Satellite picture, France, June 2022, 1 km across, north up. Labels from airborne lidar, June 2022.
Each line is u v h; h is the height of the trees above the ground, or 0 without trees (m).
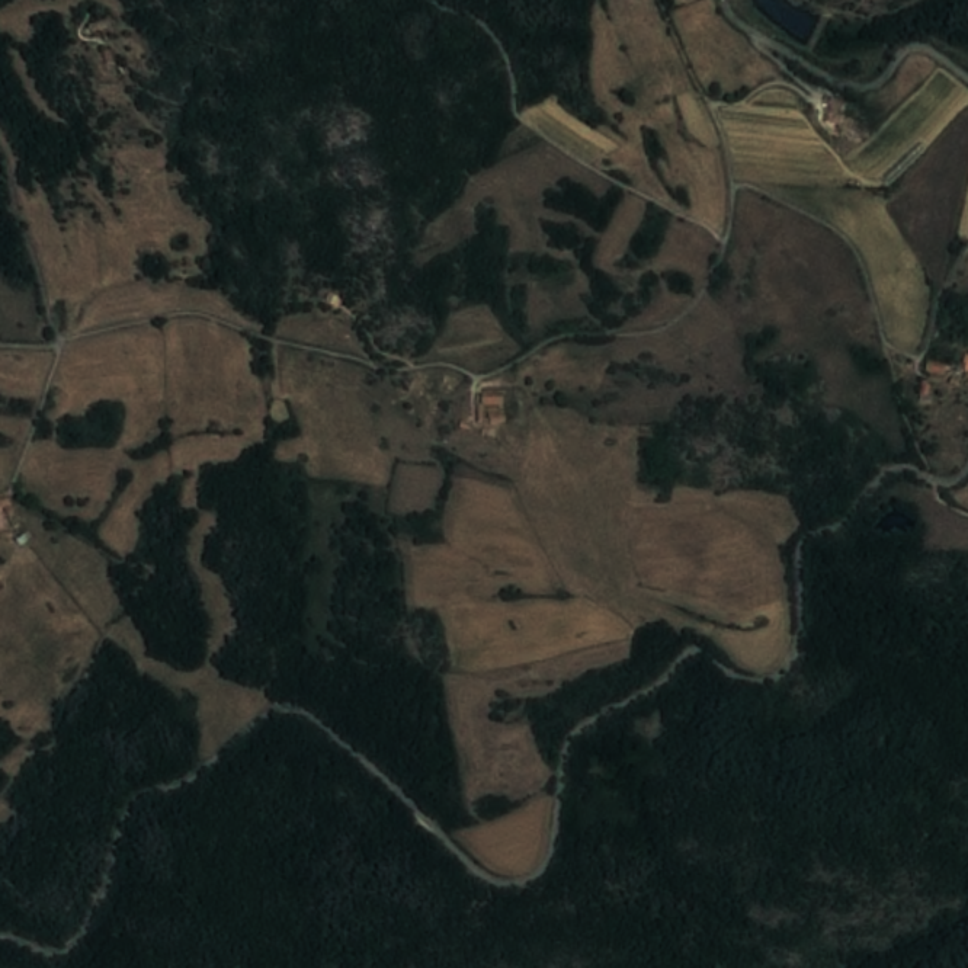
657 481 7
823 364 0
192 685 0
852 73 10
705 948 14
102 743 16
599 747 9
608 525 0
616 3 0
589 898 10
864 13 6
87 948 10
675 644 7
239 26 9
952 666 12
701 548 0
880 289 0
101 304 0
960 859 13
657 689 9
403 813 12
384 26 10
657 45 0
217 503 10
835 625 12
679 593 0
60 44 11
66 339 0
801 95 0
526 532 0
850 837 10
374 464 0
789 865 12
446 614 0
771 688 14
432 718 6
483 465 0
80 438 11
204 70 7
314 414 0
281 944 7
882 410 0
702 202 0
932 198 0
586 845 12
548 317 0
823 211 0
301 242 7
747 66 0
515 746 0
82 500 5
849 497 12
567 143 0
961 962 19
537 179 0
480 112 6
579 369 0
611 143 0
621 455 0
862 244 0
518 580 0
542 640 0
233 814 12
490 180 0
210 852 11
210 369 0
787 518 0
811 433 7
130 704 13
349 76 9
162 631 11
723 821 10
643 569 0
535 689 0
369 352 10
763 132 0
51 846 15
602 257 0
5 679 0
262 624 15
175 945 14
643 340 0
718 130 0
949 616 7
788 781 16
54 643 0
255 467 13
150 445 10
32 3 0
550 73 11
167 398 0
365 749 8
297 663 9
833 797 18
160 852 20
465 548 0
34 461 0
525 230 0
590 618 0
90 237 0
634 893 15
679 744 14
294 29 10
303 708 11
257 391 0
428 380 0
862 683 7
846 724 15
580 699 7
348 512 10
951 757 10
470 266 7
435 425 0
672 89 0
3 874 19
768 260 0
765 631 0
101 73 0
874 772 16
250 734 12
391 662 8
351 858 13
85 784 12
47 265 0
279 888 10
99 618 0
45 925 12
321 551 0
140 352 0
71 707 15
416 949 9
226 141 6
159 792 11
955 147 0
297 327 0
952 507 7
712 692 13
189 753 15
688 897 14
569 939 6
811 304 0
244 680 14
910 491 0
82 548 0
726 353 0
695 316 0
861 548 12
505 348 0
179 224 0
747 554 0
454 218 0
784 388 8
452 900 8
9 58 15
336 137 0
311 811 16
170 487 7
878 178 0
